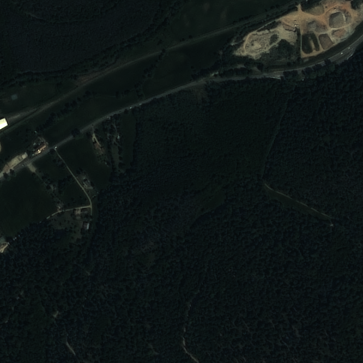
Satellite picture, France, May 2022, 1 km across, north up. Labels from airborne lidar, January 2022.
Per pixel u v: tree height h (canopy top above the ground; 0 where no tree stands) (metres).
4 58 16
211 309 17
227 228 27
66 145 0
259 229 29
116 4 15
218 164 13
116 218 13
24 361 19
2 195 0
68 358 29
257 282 23
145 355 14
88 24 18
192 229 27
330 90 18
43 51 17
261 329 24
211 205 0
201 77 16
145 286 21
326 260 15
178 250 30
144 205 14
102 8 18
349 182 22
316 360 23
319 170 19
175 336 15
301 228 28
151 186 18
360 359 27
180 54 0
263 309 26
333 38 0
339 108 24
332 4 0
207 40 0
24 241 21
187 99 9
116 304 28
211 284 17
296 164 19
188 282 22
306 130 29
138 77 0
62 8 13
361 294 34
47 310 23
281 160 20
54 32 19
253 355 20
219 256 20
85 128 0
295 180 22
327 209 24
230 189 21
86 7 14
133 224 14
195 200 26
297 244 7
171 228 26
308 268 33
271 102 10
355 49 0
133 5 20
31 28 20
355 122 16
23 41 18
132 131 0
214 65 0
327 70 20
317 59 0
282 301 23
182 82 0
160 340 20
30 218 0
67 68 15
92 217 9
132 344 23
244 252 24
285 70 0
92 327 9
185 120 18
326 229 25
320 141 23
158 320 17
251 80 21
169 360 16
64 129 0
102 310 23
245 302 24
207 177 17
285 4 0
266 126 18
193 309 20
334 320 28
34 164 0
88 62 20
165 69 0
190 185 20
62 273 33
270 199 13
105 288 24
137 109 13
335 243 18
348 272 14
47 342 27
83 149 0
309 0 9
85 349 19
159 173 17
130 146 0
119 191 20
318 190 20
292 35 0
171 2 18
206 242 22
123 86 0
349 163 15
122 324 24
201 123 19
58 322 8
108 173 0
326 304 36
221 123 19
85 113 0
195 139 19
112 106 0
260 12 0
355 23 0
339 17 0
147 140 16
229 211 23
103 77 0
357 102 28
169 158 20
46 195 0
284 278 24
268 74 0
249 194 27
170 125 17
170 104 17
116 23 19
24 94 0
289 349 14
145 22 16
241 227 24
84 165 0
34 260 22
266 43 0
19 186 0
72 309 30
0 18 20
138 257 6
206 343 23
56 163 5
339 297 37
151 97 0
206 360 21
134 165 16
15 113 0
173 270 15
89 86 0
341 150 20
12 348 31
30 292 26
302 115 16
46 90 0
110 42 20
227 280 20
